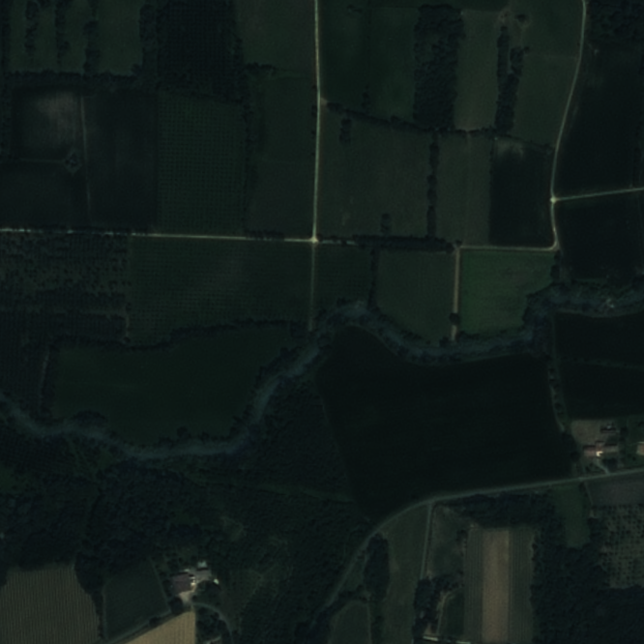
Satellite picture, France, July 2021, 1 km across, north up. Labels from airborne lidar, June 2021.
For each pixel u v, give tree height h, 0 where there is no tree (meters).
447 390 0
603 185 0
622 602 25
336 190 0
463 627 0
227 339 0
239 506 8
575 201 0
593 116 0
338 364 0
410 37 0
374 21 0
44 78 17
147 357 0
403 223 0
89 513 6
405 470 0
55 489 15
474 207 0
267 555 8
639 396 0
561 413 6
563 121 0
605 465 7
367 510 0
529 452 0
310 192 0
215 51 16
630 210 0
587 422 0
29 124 0
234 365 0
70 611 0
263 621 7
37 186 0
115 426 0
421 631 12
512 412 0
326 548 5
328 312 17
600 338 0
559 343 0
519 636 0
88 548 19
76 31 0
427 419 0
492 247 0
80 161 0
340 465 8
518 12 0
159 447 7
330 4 0
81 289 14
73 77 16
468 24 0
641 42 19
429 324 0
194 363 0
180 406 0
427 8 12
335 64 0
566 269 0
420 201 0
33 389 20
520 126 0
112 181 0
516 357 0
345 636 0
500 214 0
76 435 9
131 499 18
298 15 0
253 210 0
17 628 0
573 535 0
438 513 0
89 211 0
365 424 0
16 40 0
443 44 12
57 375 16
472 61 0
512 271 0
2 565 23
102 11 0
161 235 0
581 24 0
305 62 0
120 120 0
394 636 0
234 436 12
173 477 28
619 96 0
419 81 9
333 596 0
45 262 13
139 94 0
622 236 0
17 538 20
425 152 0
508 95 20
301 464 11
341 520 7
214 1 20
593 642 18
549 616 15
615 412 0
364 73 0
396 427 0
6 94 12
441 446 0
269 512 7
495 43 0
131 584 0
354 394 0
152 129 0
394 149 0
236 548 9
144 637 0
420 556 0
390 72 0
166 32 16
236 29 14
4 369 17
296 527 7
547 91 0
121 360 0
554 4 0
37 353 19
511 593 0
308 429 10
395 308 0
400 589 0
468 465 0
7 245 14
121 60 0
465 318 0
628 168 0
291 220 0
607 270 0
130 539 15
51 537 19
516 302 0
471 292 0
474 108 0
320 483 11
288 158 0
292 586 8
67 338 18
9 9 18
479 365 0
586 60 0
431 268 0
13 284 10
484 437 0
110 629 0
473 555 0
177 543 7
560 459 0
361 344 0
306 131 0
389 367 0
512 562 0
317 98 0
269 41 0
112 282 10
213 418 0
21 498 12
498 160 0
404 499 0
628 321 0
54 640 0
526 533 0
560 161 0
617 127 0
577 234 0
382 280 0
